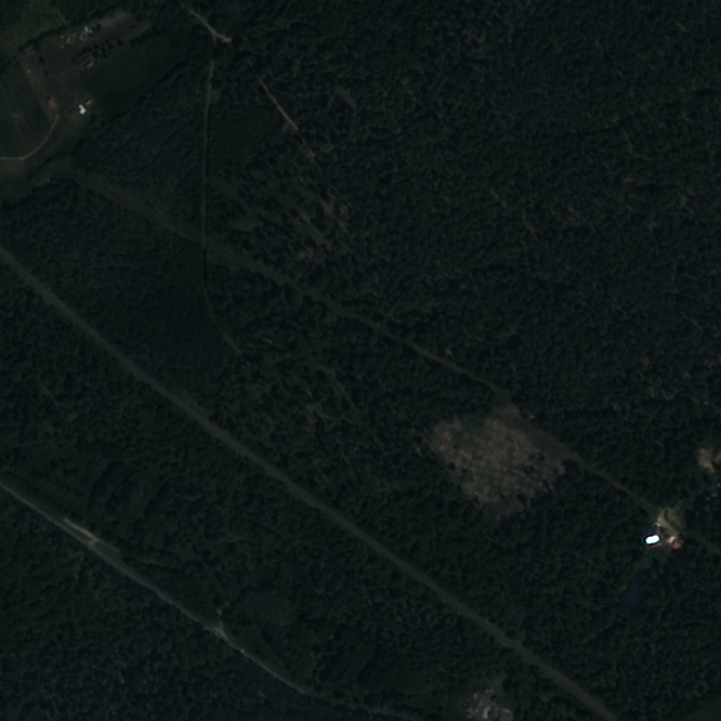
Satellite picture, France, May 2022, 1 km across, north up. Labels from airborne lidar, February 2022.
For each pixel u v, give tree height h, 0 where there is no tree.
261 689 25
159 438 25
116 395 23
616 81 27
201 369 8
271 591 24
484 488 0
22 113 0
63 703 30
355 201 27
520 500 0
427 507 28
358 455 33
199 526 8
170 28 23
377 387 29
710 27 26
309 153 0
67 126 0
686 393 31
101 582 24
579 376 32
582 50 23
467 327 28
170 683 32
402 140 27
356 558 23
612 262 27
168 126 7
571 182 30
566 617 29
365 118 30
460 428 0
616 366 31
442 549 24
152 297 12
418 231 27
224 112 8
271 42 15
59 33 8
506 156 30
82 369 27
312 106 10
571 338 28
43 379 22
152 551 13
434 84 30
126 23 0
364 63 16
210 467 23
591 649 29
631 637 24
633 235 31
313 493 12
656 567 16
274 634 24
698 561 24
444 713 8
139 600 28
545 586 27
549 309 26
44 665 30
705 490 0
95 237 10
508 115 27
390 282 26
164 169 7
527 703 15
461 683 19
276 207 26
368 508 25
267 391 0
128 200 0
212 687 26
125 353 8
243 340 11
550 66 25
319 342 30
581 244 33
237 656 15
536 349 24
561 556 25
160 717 31
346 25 28
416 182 23
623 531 27
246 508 26
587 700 0
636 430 30
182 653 32
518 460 0
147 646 31
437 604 18
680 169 34
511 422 0
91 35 7
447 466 0
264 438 31
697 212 29
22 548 27
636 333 29
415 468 30
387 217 29
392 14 30
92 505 19
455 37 7
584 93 21
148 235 12
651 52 28
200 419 0
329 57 17
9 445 0
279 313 6
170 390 7
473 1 8
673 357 32
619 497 30
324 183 31
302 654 17
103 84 0
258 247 0
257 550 14
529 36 28
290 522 22
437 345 29
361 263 27
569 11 28
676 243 32
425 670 20
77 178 0
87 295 8
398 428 26
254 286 25
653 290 25
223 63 21
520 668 20
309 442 30
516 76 23
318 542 21
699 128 30
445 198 27
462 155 23
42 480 17
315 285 27
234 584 15
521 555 26
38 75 0
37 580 23
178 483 22
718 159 31
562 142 23
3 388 12
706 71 29
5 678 29
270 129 8
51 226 12
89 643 22
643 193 35
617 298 32
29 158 0
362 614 28
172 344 10
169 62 0
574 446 22
